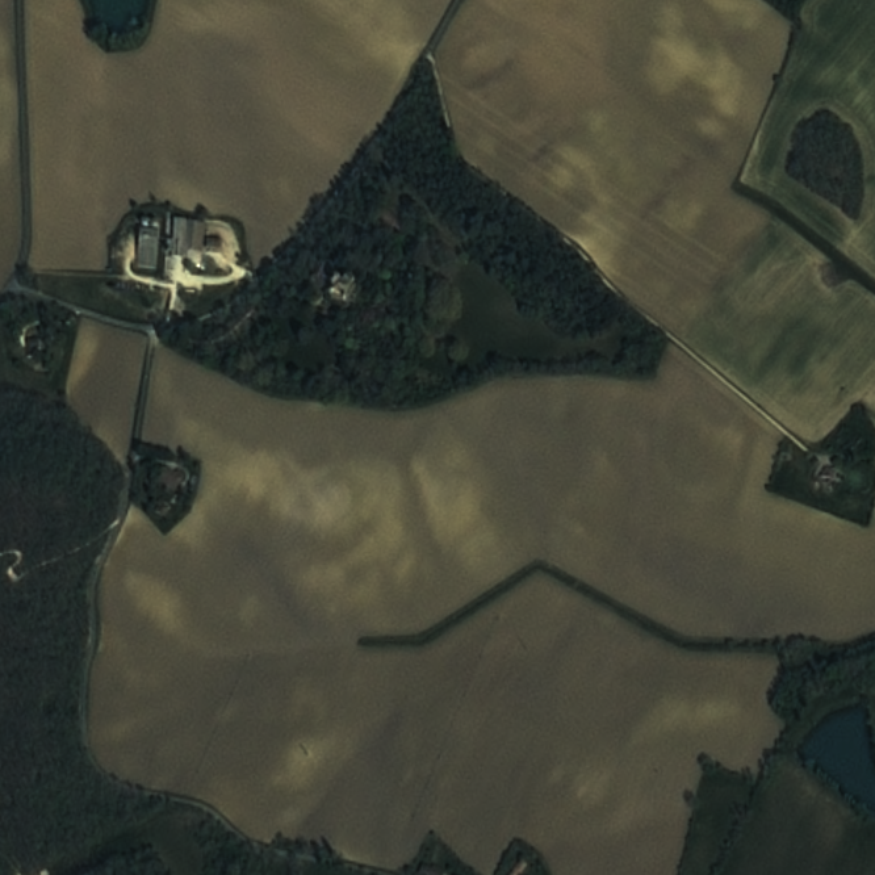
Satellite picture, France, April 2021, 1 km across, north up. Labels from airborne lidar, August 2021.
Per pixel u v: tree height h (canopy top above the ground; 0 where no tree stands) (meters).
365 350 19
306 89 0
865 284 0
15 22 0
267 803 0
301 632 0
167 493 0
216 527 0
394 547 0
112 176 0
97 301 0
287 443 0
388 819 0
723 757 0
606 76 0
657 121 0
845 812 0
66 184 0
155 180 0
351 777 0
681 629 0
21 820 21
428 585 0
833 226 0
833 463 9
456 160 11
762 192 0
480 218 27
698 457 0
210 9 0
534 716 0
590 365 18
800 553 0
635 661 0
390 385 23
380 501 0
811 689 23
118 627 0
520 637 0
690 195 0
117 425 0
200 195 0
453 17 0
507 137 0
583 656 0
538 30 0
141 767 0
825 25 0
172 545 0
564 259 6
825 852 0
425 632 0
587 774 0
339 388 23
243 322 18
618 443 0
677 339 0
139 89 0
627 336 6
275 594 0
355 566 0
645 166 0
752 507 0
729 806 0
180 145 0
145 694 0
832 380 0
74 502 17
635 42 0
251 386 19
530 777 0
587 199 0
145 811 14
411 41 0
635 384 0
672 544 0
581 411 0
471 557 0
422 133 16
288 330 0
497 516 0
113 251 0
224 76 0
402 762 0
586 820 0
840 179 15
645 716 0
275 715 0
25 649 11
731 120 0
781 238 0
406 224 18
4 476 17
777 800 0
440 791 0
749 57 0
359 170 15
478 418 0
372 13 0
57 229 0
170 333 22
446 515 0
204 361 23
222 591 0
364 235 12
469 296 0
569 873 0
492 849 0
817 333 0
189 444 0
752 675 0
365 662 0
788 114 0
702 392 0
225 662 0
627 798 0
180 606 0
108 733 0
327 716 0
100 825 22
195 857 0
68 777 24
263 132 0
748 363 0
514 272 21
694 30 0
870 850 0
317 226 17
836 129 10
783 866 0
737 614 0
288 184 0
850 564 0
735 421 0
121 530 0
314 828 0
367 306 9
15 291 0
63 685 22
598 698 0
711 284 0
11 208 0
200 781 0
